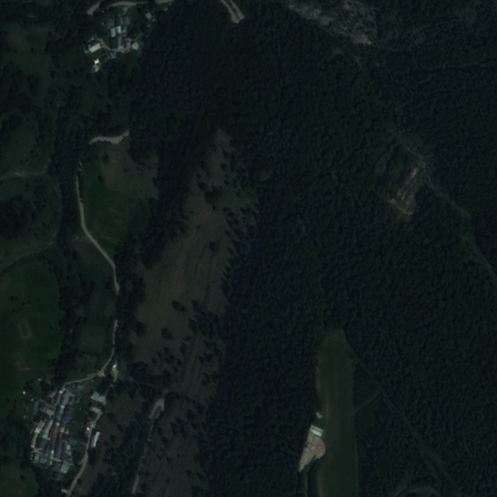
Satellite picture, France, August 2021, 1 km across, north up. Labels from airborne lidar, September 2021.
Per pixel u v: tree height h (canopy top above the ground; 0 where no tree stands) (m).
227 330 9
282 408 29
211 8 25
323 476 0
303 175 30
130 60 0
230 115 18
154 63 28
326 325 12
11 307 0
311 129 25
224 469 34
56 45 11
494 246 33
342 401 0
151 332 0
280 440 31
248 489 32
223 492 28
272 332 29
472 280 24
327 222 33
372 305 27
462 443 19
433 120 15
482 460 24
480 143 26
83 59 0
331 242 28
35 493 0
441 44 20
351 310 14
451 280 28
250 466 28
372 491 19
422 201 16
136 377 14
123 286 16
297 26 30
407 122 9
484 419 28
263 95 36
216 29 32
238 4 10
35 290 0
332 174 34
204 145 24
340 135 32
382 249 23
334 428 0
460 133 28
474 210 21
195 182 0
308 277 24
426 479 8
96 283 12
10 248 0
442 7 23
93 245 0
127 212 0
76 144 15
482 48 25
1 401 0
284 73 36
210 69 23
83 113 0
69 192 19
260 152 20
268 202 23
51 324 0
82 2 13
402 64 22
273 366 28
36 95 9
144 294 10
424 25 7
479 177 25
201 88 20
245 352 33
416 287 27
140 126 23
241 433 32
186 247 0
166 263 0
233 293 16
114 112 23
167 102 25
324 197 28
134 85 11
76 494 8
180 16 10
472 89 28
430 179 0
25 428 8
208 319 24
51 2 0
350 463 0
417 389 24
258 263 25
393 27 11
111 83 18
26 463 16
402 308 24
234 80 34
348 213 27
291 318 21
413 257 18
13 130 21
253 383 34
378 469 23
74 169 21
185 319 0
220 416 25
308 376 22
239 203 0
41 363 0
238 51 25
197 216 0
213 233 0
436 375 28
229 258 0
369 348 27
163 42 24
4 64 10
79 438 6
